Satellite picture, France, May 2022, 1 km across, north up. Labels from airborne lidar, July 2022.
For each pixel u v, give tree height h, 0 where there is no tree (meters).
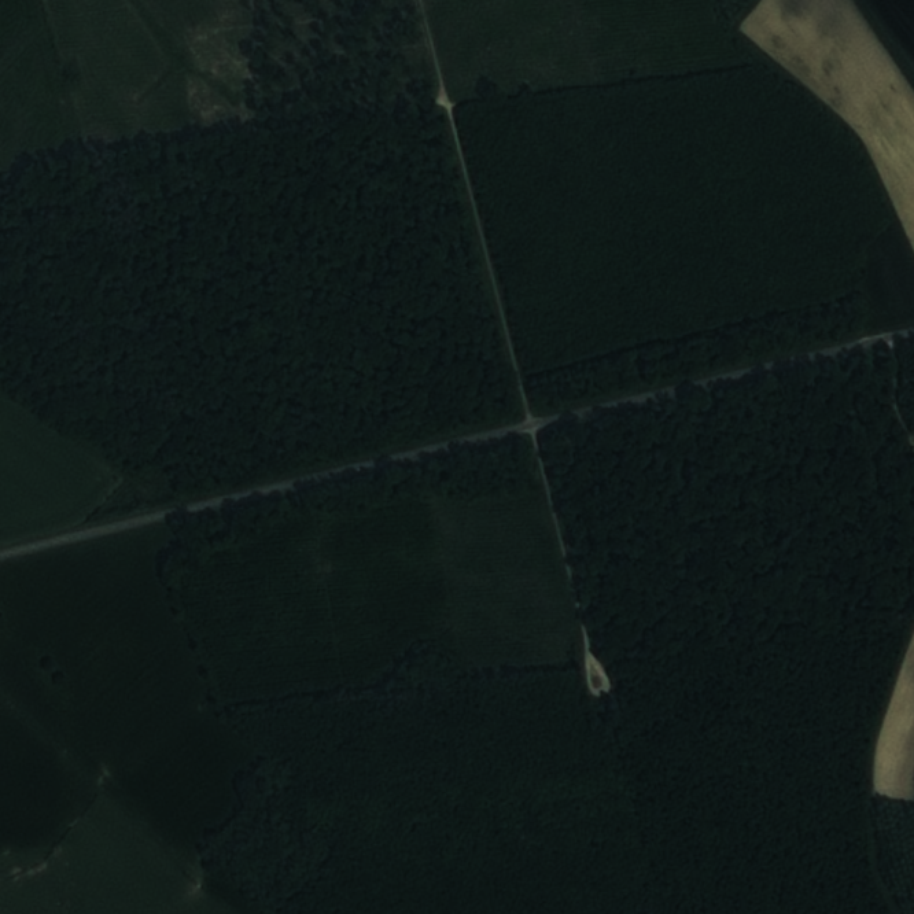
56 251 32
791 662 18
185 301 27
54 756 0
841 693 20
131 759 0
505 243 14
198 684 0
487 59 0
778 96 15
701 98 16
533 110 14
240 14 0
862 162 13
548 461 21
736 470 28
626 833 17
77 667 0
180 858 0
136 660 0
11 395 23
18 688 0
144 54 0
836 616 24
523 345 15
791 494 29
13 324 29
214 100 0
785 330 29
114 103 0
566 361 14
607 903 19
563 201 14
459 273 27
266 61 25
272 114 26
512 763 18
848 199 17
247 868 17
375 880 17
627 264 13
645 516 30
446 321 24
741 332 23
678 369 22
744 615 27
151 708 0
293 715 18
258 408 26
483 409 23
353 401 23
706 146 16
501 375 25
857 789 19
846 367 27
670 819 17
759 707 19
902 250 0
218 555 6
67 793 0
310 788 17
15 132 0
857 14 0
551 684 18
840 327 24
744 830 17
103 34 0
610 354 13
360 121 22
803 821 19
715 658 20
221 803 0
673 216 14
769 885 19
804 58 0
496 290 0
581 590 25
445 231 26
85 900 0
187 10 0
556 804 18
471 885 18
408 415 22
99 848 0
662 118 16
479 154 14
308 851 20
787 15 0
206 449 29
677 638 24
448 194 25
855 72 0
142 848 0
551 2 0
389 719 20
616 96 15
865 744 18
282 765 20
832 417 32
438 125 26
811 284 17
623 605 29
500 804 17
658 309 17
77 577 0
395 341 24
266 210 23
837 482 32
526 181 14
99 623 0
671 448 29
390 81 26
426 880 19
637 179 15
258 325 27
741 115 15
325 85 24
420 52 0
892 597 22
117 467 11
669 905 20
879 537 26
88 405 26
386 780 19
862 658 22
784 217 16
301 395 29
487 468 28
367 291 25
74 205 28
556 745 19
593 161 14
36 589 0
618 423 25
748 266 15
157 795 0
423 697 21
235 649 6
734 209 14
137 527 0
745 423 31
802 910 20
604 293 13
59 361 34
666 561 25
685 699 18
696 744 19
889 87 0
